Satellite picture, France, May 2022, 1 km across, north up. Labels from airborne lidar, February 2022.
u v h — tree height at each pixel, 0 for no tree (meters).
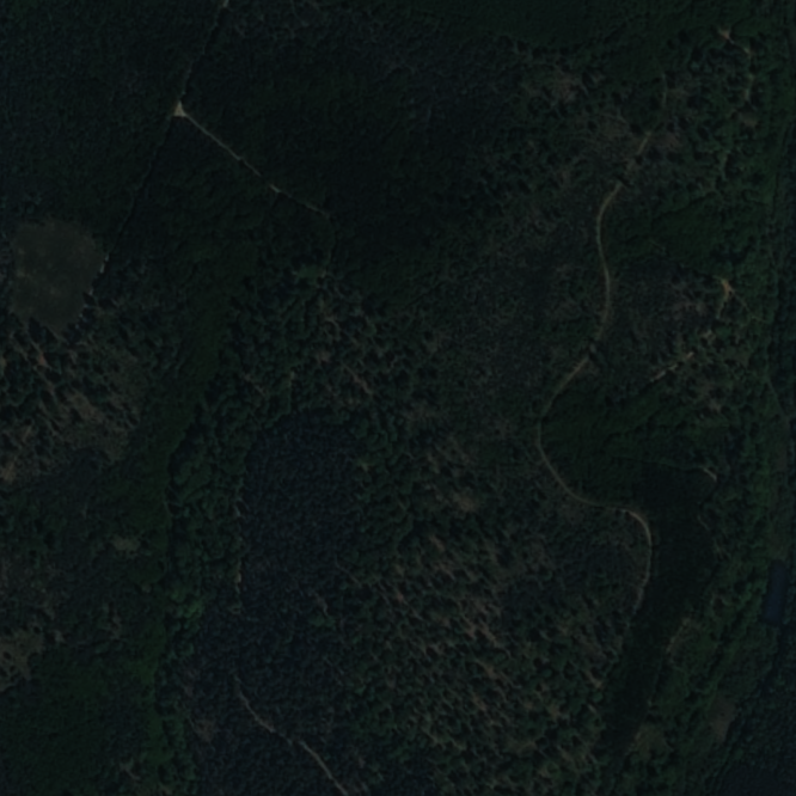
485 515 7
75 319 0
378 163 13
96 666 13
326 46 13
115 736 15
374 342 23
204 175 15
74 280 0
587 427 17
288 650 7
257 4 9
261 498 27
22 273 0
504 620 9
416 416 28
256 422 23
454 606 24
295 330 23
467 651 25
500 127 10
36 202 9
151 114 12
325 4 6
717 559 22
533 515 35
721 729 0
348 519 28
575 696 26
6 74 13
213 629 31
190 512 30
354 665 26
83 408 0
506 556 31
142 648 13
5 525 28
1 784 18
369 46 8
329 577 23
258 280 11
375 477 21
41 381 31
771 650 18
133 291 33
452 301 6
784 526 6
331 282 10
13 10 12
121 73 13
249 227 9
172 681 25
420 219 17
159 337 33
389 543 25
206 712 27
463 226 7
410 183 12
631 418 18
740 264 18
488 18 0
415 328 6
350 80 12
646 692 10
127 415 28
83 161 14
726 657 21
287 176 15
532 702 28
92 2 9
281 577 30
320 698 24
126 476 11
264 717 28
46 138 13
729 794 15
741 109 28
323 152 12
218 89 16
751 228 16
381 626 25
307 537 21
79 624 7
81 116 14
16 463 0
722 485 26
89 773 13
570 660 26
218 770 28
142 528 10
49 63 10
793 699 25
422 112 10
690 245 12
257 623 25
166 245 14
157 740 19
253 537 26
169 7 13
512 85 8
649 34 14
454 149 12
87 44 11
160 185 17
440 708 22
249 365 31
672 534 14
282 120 16
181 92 8
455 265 7
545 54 27
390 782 28
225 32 10
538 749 0
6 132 12
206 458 28
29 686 12
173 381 12
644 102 10
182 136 15
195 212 15
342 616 28
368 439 25
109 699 18
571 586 9
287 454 28
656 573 12
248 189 14
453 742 25
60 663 12
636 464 11
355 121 14
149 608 11
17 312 0
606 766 13
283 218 15
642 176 6
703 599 6
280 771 27
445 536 27
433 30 7
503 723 25
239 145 13
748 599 28
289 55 16
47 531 11
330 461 25
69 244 0
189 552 29
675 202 13
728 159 21
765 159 13
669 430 11
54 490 9
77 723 15
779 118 12
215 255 10
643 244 11
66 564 7
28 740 15
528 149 27
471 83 9
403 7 13
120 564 10
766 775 14
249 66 11
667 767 27
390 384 25
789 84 14
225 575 10
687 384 11
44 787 13
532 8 0
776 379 8
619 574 7
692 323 6
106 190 11
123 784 13
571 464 13
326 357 0
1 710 12
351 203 15
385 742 20
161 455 17
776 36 16
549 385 10
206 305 8
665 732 11
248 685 29
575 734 24
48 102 13
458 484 27
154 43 11
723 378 20
